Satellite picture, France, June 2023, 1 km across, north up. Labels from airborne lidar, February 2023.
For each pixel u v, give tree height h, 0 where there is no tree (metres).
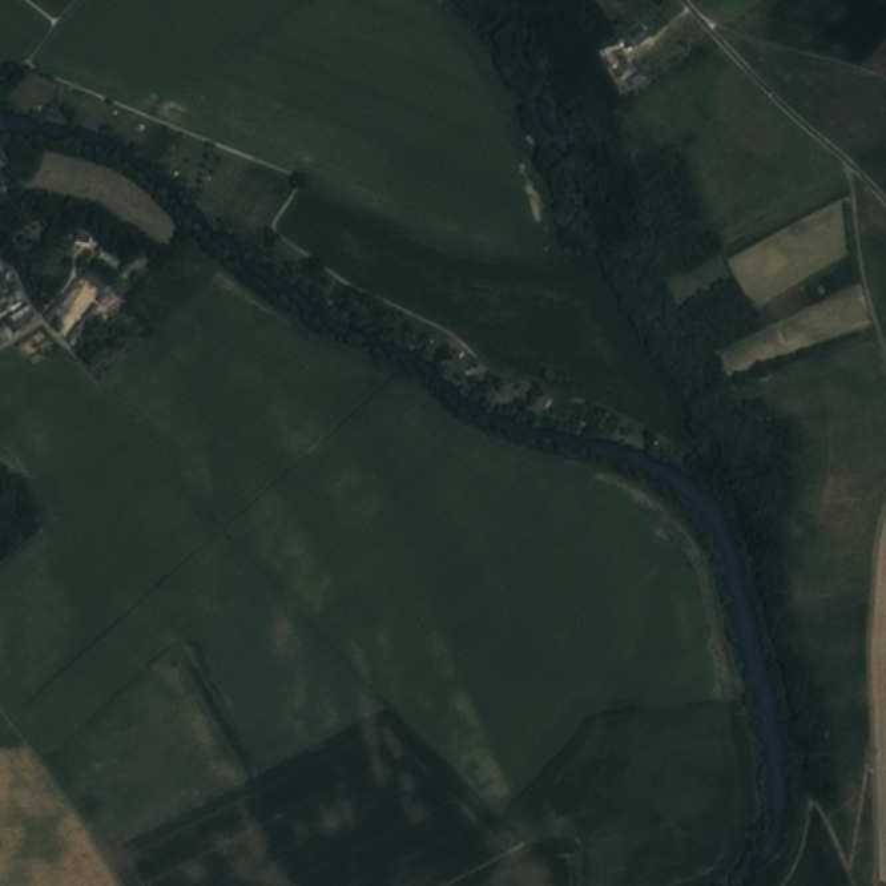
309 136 0
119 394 0
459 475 0
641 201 7
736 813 0
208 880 0
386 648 0
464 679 0
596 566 0
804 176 0
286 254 0
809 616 0
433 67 0
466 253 0
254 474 0
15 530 18
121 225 21
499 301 0
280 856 0
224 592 0
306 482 0
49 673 0
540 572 0
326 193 0
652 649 0
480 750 0
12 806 0
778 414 0
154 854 0
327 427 0
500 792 0
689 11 0
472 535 0
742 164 0
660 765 0
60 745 0
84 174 0
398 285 0
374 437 0
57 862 0
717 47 0
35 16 0
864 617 0
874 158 0
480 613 0
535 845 0
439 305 0
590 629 0
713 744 0
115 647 0
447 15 0
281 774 0
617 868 0
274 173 0
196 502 0
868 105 0
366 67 0
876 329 0
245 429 0
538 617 0
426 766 0
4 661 0
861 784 0
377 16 0
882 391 0
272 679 0
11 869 0
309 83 0
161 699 0
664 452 12
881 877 0
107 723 0
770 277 0
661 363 17
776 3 0
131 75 0
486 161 0
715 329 13
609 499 0
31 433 0
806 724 20
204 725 0
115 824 0
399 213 0
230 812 0
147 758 0
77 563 0
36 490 0
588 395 0
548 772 0
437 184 0
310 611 0
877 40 0
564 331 0
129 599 0
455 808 0
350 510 0
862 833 0
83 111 0
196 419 0
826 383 0
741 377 14
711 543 11
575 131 21
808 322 0
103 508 0
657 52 0
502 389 10
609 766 0
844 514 0
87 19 0
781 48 0
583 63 16
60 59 0
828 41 0
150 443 0
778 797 0
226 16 0
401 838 0
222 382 0
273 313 0
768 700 0
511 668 0
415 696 0
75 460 0
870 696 0
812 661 0
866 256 0
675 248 12
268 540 0
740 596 0
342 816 0
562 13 17
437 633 0
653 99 0
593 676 0
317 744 0
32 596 0
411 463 0
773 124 0
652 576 0
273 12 0
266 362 0
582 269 0
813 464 0
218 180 0
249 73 0
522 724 0
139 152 14
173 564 0
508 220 0
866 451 0
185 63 0
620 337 0
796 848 0
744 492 22
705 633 0
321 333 10
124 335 10
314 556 0
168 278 0
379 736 0
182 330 0
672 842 0
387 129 0
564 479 0
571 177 33
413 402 0
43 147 17
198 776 0
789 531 0
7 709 0
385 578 0
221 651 0
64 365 0
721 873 0
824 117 0
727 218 0
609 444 0
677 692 0
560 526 0
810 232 0
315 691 0
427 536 0
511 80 29
